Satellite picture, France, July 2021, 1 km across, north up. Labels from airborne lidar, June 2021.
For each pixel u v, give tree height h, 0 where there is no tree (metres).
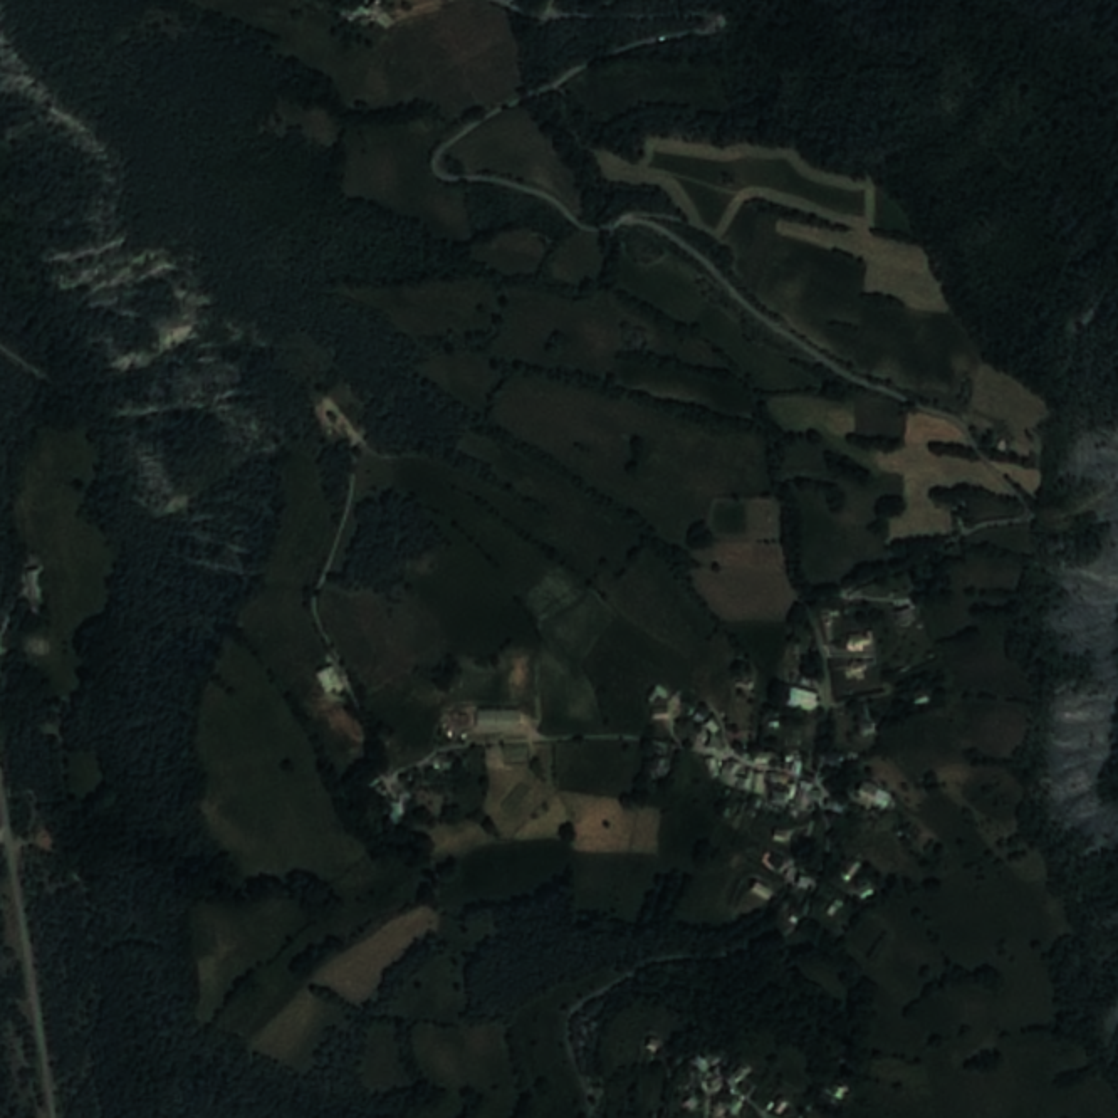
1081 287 14
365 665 0
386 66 0
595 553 0
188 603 7
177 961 10
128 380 7
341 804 13
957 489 9
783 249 0
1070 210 7
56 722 13
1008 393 0
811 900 8
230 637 9
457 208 0
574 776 0
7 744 9
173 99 6
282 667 0
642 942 16
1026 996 0
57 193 7
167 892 13
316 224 6
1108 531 7
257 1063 6
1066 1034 14
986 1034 0
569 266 0
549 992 10
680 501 0
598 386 11
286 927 0
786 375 0
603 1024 10
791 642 9
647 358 10
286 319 8
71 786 5
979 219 11
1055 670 14
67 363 14
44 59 6
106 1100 9
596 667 0
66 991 7
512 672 0
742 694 8
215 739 0
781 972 16
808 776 9
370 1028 8
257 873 0
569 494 0
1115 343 14
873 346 0
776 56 9
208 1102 7
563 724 0
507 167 0
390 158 0
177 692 7
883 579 11
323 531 0
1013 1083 0
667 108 7
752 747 13
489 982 11
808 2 18
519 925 16
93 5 8
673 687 0
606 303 0
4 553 10
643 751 10
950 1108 0
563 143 13
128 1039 12
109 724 11
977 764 10
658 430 0
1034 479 0
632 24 8
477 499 7
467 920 11
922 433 0
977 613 15
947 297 9
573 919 24
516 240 0
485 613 0
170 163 8
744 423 8
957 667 0
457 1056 0
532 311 0
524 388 0
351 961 0
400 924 0
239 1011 0
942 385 0
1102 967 15
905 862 0
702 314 0
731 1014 14
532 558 0
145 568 9
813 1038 18
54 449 0
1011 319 13
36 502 0
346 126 8
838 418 0
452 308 0
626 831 0
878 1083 7
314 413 6
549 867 0
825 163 11
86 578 0
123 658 10
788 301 0
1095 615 0
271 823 0
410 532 8
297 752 0
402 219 9
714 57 10
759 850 0
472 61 0
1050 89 8
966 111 7
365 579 7
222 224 7
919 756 0
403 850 16
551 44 7
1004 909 0
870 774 9
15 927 0
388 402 9
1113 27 9
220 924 0
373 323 8
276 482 8
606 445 0
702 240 6
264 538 7
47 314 10
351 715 10
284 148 6
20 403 11
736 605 0
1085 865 9
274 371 7
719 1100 6
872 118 14
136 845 19
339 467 9
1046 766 9
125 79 6
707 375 9
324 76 12
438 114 6
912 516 0
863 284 0
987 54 9
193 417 8
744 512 0
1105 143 12
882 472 0
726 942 14
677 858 0
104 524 12
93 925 11
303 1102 12
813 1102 7
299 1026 0
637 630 0
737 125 15
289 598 0
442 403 12
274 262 6
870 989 15
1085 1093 0
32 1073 7
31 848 6
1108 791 10
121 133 7
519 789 0
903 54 20
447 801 6
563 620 0
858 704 12
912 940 0
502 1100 0
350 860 0
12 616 9
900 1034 0
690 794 0
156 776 10
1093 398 15
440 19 0
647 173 0
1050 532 5
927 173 6
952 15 21
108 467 8
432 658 0
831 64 14
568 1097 0
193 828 9
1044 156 7
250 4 0
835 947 14
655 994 11
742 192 0
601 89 0
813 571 0
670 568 8
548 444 0
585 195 12
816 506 0
